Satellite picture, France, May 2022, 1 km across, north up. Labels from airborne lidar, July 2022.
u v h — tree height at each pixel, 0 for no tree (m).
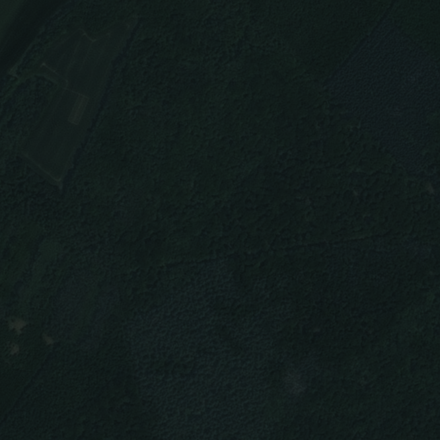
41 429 20
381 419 24
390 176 29
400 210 26
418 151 23
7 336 9
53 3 0
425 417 26
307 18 14
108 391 30
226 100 24
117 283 24
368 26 17
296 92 27
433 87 24
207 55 24
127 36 0
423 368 28
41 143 0
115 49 0
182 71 27
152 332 32
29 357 11
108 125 24
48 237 17
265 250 24
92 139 21
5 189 19
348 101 27
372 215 30
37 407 20
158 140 23
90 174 24
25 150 0
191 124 25
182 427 29
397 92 25
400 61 20
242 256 27
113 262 26
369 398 21
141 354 30
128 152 22
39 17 0
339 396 24
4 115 24
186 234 22
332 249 22
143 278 27
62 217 23
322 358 25
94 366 19
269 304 24
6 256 30
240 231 27
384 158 25
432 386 27
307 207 29
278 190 32
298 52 15
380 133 22
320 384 20
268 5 10
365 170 29
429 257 27
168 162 29
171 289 23
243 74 28
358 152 24
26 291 24
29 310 20
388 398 27
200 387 31
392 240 27
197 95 24
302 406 22
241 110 27
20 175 17
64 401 20
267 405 18
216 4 19
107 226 9
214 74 24
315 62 16
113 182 22
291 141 25
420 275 27
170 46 24
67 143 0
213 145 25
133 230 25
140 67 26
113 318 25
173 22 22
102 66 0
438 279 25
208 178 25
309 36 14
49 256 22
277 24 11
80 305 25
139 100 24
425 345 23
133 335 19
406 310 28
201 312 28
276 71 30
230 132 28
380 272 14
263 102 31
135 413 28
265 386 26
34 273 21
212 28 30
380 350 17
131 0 20
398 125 22
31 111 20
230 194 19
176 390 28
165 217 23
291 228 30
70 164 0
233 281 24
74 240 25
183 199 23
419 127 24
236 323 26
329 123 24
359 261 19
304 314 16
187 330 29
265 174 32
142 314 27
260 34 27
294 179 28
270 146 27
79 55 0
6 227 21
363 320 26
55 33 16
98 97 0
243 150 22
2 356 7
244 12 25
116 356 19
